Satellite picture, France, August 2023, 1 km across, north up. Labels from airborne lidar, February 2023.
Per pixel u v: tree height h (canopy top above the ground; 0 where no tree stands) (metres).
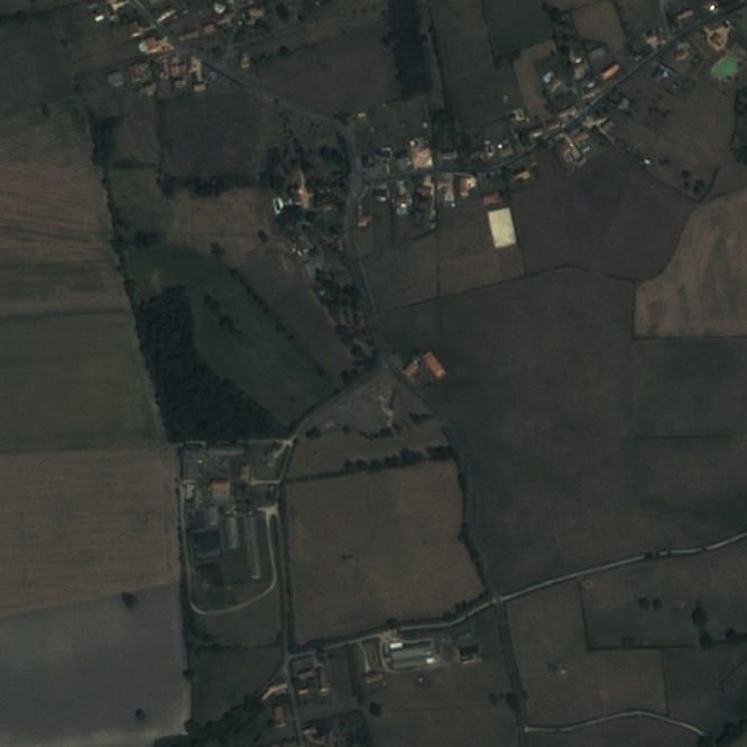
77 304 0
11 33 0
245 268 0
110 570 0
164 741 8
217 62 0
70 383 0
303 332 0
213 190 14
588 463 0
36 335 0
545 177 0
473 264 0
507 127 0
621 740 0
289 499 0
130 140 0
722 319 0
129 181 0
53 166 0
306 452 0
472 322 0
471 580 0
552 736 0
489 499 0
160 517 0
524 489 0
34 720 0
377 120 0
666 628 0
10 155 0
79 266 0
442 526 0
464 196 0
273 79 0
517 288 0
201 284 0
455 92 0
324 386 0
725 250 0
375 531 0
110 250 0
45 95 0
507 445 0
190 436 9
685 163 0
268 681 0
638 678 0
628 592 0
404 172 0
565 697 0
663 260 0
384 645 0
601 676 0
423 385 0
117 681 0
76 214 0
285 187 19
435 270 0
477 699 0
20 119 0
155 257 0
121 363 0
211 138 0
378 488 0
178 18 0
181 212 0
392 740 0
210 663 0
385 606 0
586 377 0
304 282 0
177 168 0
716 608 0
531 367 0
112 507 0
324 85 0
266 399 0
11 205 0
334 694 0
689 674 0
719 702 0
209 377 9
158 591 0
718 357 0
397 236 0
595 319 0
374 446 0
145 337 10
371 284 0
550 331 0
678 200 0
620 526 0
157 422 0
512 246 0
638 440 0
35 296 0
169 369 10
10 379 0
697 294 0
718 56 0
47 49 0
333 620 0
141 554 0
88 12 0
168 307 11
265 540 0
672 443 0
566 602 0
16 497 0
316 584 0
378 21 0
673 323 0
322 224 0
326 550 0
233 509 0
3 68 0
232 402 10
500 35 0
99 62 0
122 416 0
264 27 6
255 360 0
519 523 0
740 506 0
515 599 0
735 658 0
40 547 0
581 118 0
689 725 0
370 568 0
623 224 0
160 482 0
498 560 0
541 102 0
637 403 0
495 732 0
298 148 14
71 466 0
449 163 0
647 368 0
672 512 0
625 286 0
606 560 0
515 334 0
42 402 0
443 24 0
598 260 0
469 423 0
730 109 0
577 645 0
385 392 0
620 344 0
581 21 0
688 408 0
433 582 0
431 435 0
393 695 0
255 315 0
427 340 0
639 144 0
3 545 0
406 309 0
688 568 0
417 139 0
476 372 0
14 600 0
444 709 0
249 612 0
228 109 0
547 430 0
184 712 0
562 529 0
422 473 0
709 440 0
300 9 0
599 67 0
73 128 0
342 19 0
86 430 0
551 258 0
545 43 0
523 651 0
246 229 0
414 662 0
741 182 0
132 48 0
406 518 0
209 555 0
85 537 0
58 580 0
